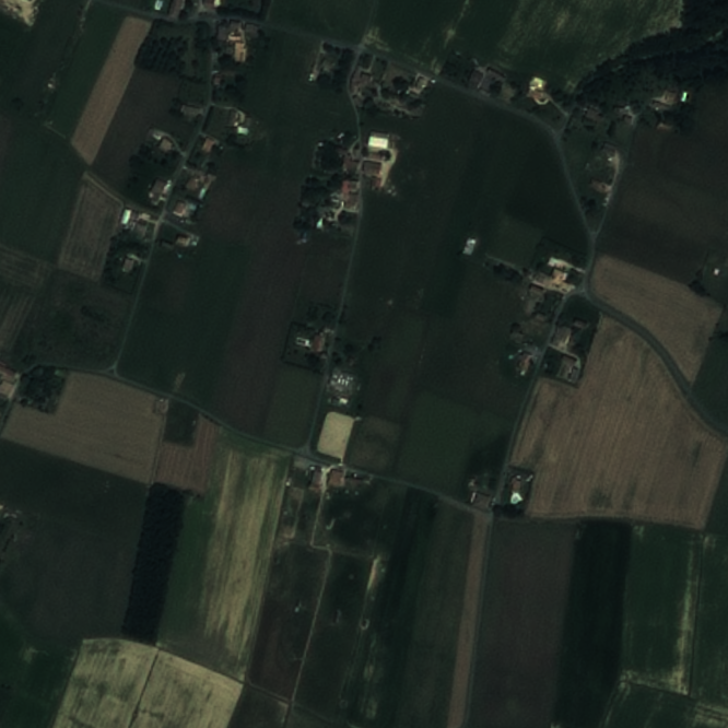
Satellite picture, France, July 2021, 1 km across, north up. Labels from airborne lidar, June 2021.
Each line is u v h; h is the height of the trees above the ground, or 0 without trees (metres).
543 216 0
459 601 0
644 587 0
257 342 0
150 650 0
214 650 0
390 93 7
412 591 0
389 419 0
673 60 15
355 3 0
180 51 8
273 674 0
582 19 0
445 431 0
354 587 0
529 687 0
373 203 0
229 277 0
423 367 0
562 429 0
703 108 0
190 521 0
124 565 0
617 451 0
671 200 0
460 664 0
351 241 0
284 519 0
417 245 0
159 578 15
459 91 0
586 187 0
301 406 0
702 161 0
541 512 0
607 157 0
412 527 0
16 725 0
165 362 0
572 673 0
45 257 0
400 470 0
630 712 0
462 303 0
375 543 0
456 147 0
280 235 0
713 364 0
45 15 0
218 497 0
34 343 0
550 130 0
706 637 0
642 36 0
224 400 0
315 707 0
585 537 0
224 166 0
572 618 0
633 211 0
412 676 0
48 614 0
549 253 0
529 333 0
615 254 0
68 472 0
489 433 0
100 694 0
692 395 0
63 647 0
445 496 0
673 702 0
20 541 0
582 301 0
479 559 0
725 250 0
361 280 0
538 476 0
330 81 11
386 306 0
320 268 0
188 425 0
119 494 0
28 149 0
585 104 8
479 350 0
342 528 0
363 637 0
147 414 0
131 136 0
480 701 0
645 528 0
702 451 0
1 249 0
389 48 0
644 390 0
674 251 0
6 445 0
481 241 0
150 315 0
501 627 0
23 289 0
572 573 0
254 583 0
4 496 0
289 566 0
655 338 0
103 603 0
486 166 0
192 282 0
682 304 0
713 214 0
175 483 0
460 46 0
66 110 0
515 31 0
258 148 0
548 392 0
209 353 0
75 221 0
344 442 0
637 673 0
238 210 0
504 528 0
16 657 0
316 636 0
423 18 0
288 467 0
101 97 0
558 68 0
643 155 0
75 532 0
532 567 0
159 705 0
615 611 0
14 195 0
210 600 0
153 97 0
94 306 0
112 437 0
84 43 0
